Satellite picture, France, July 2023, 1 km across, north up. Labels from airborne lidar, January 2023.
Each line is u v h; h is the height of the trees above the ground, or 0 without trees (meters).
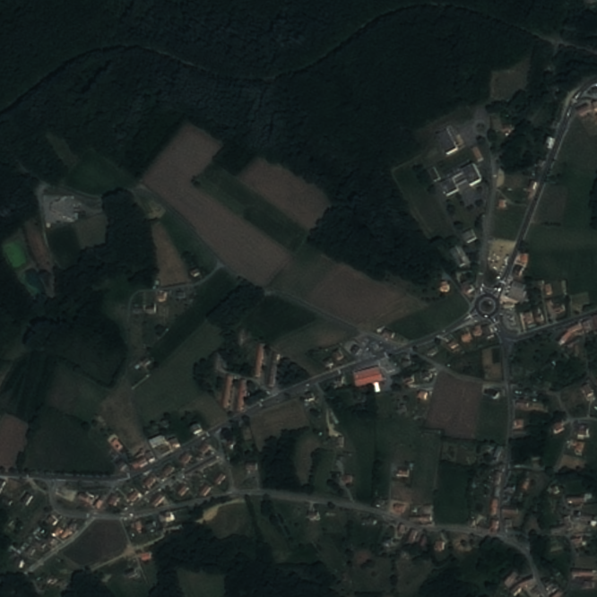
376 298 0
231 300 17
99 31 20
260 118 26
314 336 0
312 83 21
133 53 17
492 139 15
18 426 0
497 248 0
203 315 0
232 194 0
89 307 11
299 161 25
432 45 23
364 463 0
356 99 16
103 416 0
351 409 8
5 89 17
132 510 0
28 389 0
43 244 0
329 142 25
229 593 8
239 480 0
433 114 19
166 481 0
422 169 17
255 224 0
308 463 0
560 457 0
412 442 0
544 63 7
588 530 0
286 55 23
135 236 24
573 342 0
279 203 0
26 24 21
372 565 14
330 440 0
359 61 20
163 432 12
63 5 22
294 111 19
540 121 0
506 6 25
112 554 0
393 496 0
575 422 0
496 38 21
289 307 0
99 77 25
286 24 36
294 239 0
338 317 0
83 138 22
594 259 0
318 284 0
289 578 8
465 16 16
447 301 0
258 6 23
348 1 20
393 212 20
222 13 24
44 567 0
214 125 22
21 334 0
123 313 0
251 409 0
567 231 0
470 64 23
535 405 0
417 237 22
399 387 13
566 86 20
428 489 0
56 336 31
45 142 15
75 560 0
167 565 7
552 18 21
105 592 15
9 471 6
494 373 0
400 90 22
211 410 0
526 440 13
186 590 0
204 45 24
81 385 0
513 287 0
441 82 22
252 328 0
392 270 16
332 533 0
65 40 22
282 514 0
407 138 19
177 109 20
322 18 21
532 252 0
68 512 0
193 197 0
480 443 6
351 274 0
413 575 0
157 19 15
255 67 17
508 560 0
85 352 0
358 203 30
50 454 0
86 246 0
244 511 0
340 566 0
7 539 18
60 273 11
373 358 0
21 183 20
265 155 20
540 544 21
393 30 22
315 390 0
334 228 15
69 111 28
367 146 20
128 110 22
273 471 18
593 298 0
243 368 8
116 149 15
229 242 0
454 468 7
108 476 6
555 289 0
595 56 12
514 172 9
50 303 18
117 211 24
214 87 19
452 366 0
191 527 17
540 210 0
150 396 0
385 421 0
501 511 0
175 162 0
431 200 0
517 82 0
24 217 16
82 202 0
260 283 0
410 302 0
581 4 15
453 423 0
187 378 0
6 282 10
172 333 0
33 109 18
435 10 15
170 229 0
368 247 20
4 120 21
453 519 0
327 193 10
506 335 0
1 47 18
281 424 0
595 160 0
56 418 0
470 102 22
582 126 0
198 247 0
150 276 8
